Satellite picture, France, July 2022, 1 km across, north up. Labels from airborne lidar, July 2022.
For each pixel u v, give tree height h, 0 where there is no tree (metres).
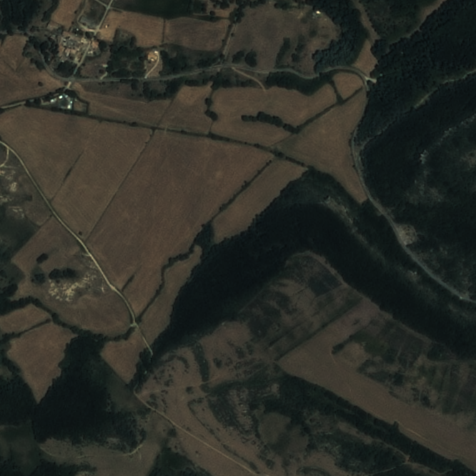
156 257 0
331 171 0
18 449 0
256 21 0
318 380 0
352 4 18
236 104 0
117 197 0
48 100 12
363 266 21
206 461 0
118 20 0
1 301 8
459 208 11
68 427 10
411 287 7
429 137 9
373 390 0
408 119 13
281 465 0
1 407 12
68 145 0
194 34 0
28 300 9
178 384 0
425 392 0
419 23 0
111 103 0
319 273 0
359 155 9
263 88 0
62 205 0
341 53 24
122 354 0
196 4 0
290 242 8
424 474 0
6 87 0
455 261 6
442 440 0
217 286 15
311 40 0
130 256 0
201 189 0
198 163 0
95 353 10
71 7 0
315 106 0
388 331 0
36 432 11
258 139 0
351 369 0
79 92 0
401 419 0
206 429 0
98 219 0
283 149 0
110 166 0
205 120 0
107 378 0
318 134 0
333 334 0
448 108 16
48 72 0
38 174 0
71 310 0
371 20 14
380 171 12
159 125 0
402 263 11
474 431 0
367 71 0
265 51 0
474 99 15
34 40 19
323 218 10
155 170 0
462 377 0
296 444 0
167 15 0
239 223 0
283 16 0
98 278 0
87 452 0
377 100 14
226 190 0
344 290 0
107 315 0
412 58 18
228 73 0
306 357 0
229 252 16
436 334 15
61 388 18
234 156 0
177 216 0
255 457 0
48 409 14
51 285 0
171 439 0
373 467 6
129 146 0
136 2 0
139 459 0
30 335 0
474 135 6
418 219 8
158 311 0
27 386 12
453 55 13
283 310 0
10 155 0
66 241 0
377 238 9
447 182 8
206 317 10
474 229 13
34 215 0
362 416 16
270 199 0
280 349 0
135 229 0
